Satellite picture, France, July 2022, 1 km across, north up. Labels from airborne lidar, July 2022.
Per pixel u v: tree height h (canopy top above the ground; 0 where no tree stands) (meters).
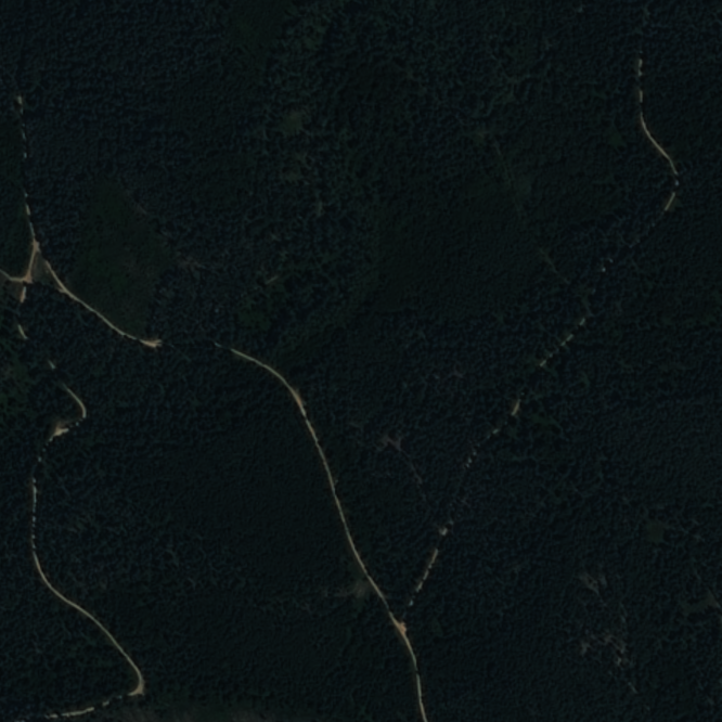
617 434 28
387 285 7
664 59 12
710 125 20
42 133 23
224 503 13
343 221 7
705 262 15
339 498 18
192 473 15
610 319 11
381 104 16
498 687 23
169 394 21
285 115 10
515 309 14
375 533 14
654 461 22
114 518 22
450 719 10
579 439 22
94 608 11
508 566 24
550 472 23
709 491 23
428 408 23
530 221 7
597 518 23
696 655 20
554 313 17
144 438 19
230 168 9
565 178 19
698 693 26
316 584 9
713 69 13
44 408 13
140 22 27
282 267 27
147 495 8
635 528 21
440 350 27
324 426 9
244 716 0
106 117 27
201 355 28
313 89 25
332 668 13
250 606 7
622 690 25
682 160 11
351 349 18
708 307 12
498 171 10
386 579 17
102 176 7
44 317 25
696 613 0
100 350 22
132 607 14
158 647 14
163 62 28
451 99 25
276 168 16
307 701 11
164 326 22
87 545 23
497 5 25
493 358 18
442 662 12
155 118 14
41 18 33
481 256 15
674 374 10
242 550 11
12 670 7
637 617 17
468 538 21
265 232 13
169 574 13
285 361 8
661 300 11
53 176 26
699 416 23
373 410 18
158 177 21
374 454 23
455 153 13
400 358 13
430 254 12
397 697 15
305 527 8
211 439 16
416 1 22
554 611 23
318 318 36
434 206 16
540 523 14
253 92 15
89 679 22
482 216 7
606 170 20
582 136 18
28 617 22
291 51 25
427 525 23
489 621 23
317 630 10
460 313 14
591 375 29
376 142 17
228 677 13
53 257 26
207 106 10
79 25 25
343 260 42
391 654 13
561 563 22
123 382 16
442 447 24
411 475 27
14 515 20
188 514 14
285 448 13
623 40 18
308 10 21
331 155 34
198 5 23
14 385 28
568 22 10
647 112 15
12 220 27
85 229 6
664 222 13
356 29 18
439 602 15
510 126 13
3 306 7
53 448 17
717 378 22
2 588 20
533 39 12
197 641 12
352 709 10
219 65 12
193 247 23
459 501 14
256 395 17
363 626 15
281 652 12
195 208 26
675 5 29
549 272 15
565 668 24
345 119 10
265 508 15
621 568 19
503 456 6
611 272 24
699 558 25
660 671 24
